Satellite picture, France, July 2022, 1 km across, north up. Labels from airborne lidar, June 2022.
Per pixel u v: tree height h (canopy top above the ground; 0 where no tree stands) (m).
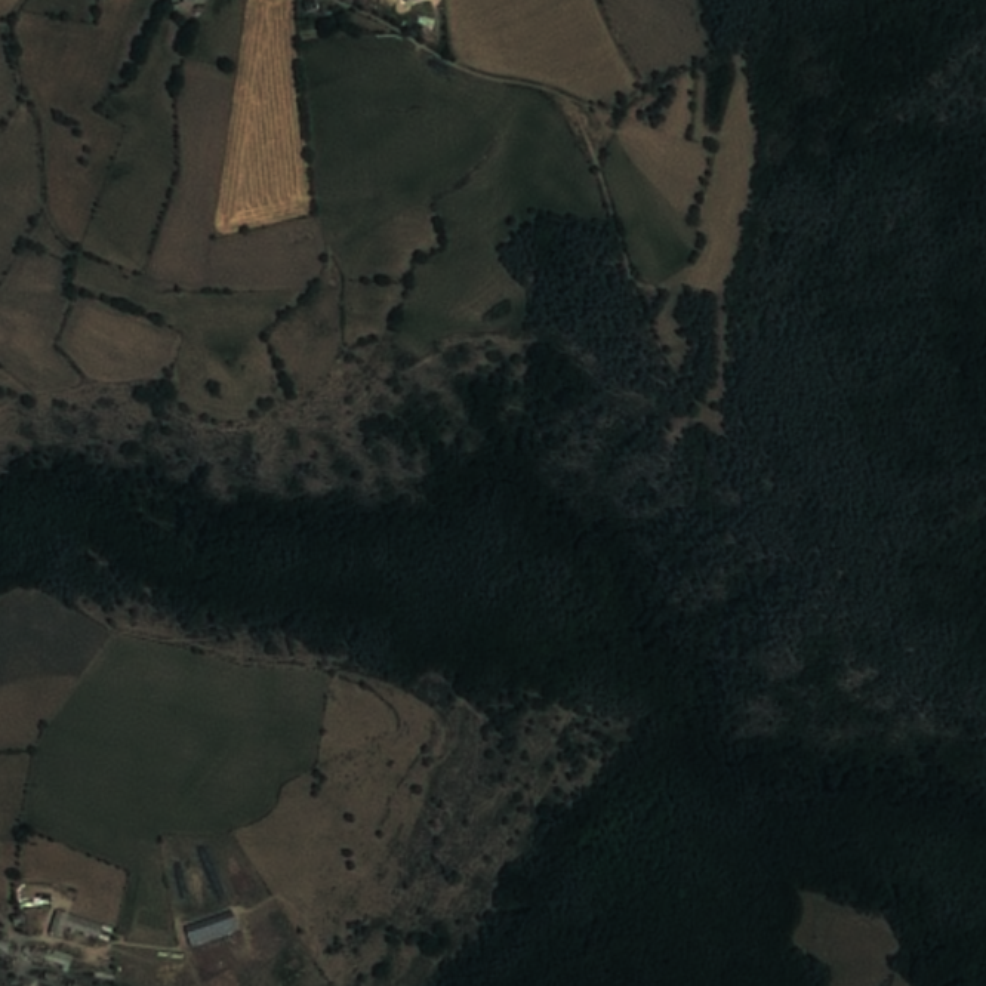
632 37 0
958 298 21
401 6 0
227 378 0
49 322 0
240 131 0
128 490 20
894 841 23
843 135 11
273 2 0
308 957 0
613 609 21
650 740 23
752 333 15
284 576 20
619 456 17
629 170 0
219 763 0
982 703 12
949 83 10
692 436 14
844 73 11
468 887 0
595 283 20
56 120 14
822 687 12
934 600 20
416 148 0
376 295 0
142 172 0
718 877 21
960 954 19
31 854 0
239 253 0
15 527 11
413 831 0
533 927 23
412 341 0
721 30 20
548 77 0
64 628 0
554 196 0
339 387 0
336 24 8
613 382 10
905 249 16
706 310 15
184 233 0
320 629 18
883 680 13
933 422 22
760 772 25
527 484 21
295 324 0
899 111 13
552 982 14
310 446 0
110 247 0
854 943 0
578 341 14
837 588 12
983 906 19
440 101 0
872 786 24
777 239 17
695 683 25
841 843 25
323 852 0
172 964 0
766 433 21
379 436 9
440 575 21
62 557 22
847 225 18
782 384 25
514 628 16
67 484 14
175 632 0
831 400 21
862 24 10
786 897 22
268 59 0
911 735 7
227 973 0
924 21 7
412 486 7
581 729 20
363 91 0
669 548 12
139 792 0
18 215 0
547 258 10
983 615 23
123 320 0
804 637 7
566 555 24
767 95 7
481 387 22
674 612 13
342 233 0
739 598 13
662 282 0
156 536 17
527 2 0
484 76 0
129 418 0
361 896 0
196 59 0
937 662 18
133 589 14
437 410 8
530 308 8
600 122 0
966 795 20
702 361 16
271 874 0
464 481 20
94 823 0
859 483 21
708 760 26
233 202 0
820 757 17
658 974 15
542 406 23
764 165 10
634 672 21
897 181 17
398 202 0
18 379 0
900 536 21
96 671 0
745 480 16
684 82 0
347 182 0
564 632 13
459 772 0
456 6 0
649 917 17
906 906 16
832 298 23
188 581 16
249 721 0
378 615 16
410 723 0
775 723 11
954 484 21
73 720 0
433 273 0
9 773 0
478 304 0
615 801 10
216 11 0
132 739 0
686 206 0
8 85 0
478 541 18
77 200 0
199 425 0
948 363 17
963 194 22
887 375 23
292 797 0
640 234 0
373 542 20
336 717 0
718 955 24
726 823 20
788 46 6
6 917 0
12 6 0
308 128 10
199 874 0
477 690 20
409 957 0
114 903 0
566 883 18
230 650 0
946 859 15
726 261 0
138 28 0
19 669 0
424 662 14
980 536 10
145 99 0
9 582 13
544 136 0
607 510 9
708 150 9
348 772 0
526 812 16
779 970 18
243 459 0
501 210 0
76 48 0
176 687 0
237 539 23
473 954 16
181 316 0
